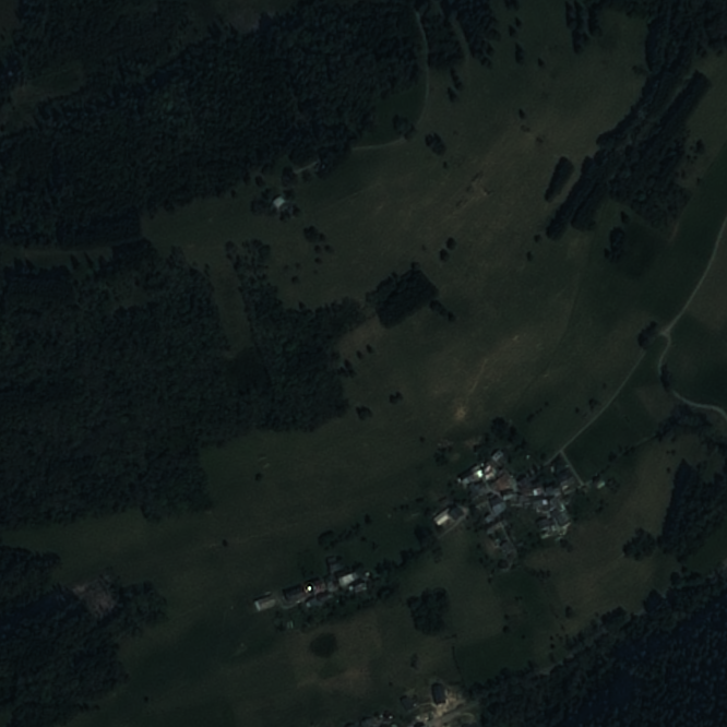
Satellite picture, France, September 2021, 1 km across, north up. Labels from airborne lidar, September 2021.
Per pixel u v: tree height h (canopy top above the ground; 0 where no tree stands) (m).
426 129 0
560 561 0
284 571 0
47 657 24
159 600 23
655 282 0
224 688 0
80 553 0
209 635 0
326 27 18
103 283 15
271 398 15
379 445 0
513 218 0
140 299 0
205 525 0
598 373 0
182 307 19
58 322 13
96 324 18
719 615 24
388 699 0
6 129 7
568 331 0
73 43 10
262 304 14
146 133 19
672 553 19
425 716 0
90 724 0
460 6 28
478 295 0
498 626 0
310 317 14
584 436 0
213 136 9
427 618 30
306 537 0
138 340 21
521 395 0
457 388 0
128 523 0
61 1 13
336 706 0
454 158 0
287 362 23
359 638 0
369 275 0
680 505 23
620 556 0
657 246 0
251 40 11
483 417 0
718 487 13
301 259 0
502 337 0
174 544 0
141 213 12
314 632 0
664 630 29
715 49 13
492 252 0
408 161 0
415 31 12
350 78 27
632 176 26
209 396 21
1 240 18
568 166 18
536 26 0
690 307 0
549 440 0
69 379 23
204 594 0
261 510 0
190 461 18
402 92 9
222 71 11
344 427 0
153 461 21
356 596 6
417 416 0
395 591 18
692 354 0
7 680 10
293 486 0
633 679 33
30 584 26
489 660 0
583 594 0
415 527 0
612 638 15
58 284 24
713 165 0
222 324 18
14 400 24
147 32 11
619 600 0
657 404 0
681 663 27
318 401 24
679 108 21
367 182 0
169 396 18
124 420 22
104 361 16
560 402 0
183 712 0
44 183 7
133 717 0
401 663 0
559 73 0
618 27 0
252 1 0
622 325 0
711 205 0
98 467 22
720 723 24
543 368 0
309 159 22
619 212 0
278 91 12
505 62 0
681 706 33
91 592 6
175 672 0
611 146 25
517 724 20
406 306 23
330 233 0
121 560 0
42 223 13
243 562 0
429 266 0
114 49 9
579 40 18
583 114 0
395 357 0
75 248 18
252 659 0
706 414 0
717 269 0
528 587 0
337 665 0
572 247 0
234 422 16
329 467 0
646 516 0
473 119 0
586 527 0
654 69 21
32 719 26
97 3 11
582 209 26
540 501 0
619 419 0
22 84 30
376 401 0
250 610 0
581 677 18
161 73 8
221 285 0
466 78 0
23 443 19
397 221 0
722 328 0
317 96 25
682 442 0
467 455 0
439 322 0
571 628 0
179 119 20
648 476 0
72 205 8
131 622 25
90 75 6
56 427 8
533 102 0
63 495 23
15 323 15
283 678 0
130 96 19
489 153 0
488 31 27
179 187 8
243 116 9
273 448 0
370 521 13
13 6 0
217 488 0
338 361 18
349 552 0
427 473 0
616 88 0
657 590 0
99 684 21
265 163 20
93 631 15
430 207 0
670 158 19
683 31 23
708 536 12
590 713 7
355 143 18
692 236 0
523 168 0
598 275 0
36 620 31
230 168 11
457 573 0
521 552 6
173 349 24
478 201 0
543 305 0
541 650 0
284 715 0
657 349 0
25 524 17
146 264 19
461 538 0
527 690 26
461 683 6
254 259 9
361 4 9
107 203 12
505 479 0
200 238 0
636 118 21
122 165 15
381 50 14
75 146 19
